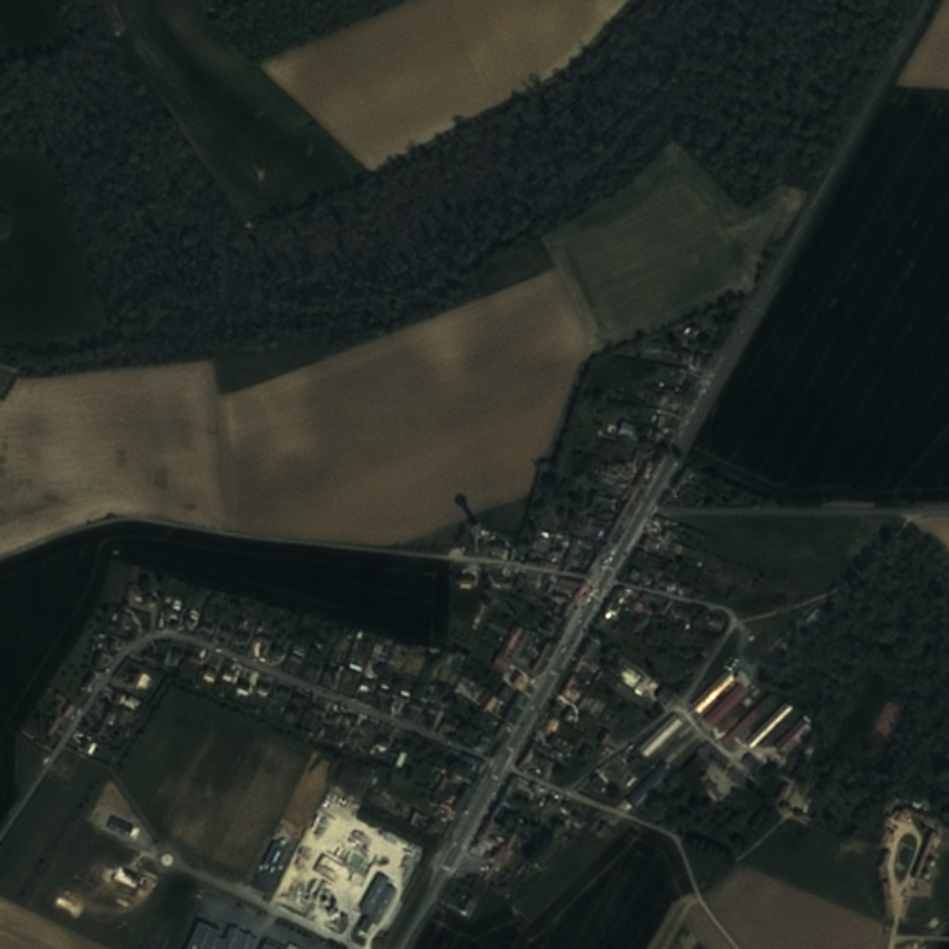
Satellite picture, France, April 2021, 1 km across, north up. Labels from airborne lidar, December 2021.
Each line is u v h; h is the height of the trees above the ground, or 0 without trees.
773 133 20
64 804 0
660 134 10
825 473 0
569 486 6
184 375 0
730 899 0
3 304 0
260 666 0
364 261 12
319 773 0
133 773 0
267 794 0
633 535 0
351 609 0
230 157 0
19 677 0
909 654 24
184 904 0
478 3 0
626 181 9
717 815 7
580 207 9
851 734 0
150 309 20
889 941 0
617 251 0
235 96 0
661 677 6
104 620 7
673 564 8
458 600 0
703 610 8
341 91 0
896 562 7
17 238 0
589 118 22
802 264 0
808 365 0
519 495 0
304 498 0
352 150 0
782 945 0
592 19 0
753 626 0
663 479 0
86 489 0
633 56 18
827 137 10
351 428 0
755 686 0
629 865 0
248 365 0
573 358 0
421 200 5
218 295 9
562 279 0
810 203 0
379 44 0
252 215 0
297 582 0
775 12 18
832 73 21
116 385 0
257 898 0
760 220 0
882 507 0
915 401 0
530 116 22
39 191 0
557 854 0
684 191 0
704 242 0
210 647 0
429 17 0
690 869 0
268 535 0
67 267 0
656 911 0
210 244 17
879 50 21
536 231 18
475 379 0
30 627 0
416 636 0
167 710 0
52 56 19
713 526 0
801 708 0
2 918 0
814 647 23
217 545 0
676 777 13
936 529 0
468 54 0
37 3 0
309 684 0
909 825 0
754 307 0
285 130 0
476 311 0
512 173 15
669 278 0
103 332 0
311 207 11
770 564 0
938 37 0
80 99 24
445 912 0
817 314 0
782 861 0
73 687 0
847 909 0
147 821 0
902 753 13
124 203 22
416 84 0
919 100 0
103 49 21
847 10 20
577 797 0
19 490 0
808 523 0
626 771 0
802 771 6
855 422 0
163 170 21
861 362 0
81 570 0
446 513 0
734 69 18
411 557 0
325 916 0
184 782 0
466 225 21
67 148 20
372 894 0
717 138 15
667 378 0
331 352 17
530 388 0
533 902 0
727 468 0
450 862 0
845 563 0
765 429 0
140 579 8
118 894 0
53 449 0
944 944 0
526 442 0
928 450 0
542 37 0
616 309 0
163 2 0
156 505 0
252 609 9
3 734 0
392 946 0
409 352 0
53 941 0
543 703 0
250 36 15
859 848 0
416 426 0
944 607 22
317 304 15
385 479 0
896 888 0
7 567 0
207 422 0
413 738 8
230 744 0
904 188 0
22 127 17
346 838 0
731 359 0
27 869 0
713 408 0
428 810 0
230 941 0
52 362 15
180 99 0
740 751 0
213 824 0
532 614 10
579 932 0
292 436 0
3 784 0
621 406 7
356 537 0
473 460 0
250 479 0
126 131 22
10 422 0
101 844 0
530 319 0
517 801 9
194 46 0
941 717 22
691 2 16
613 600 0
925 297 0
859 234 0
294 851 0
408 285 6
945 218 0
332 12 19
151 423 0
